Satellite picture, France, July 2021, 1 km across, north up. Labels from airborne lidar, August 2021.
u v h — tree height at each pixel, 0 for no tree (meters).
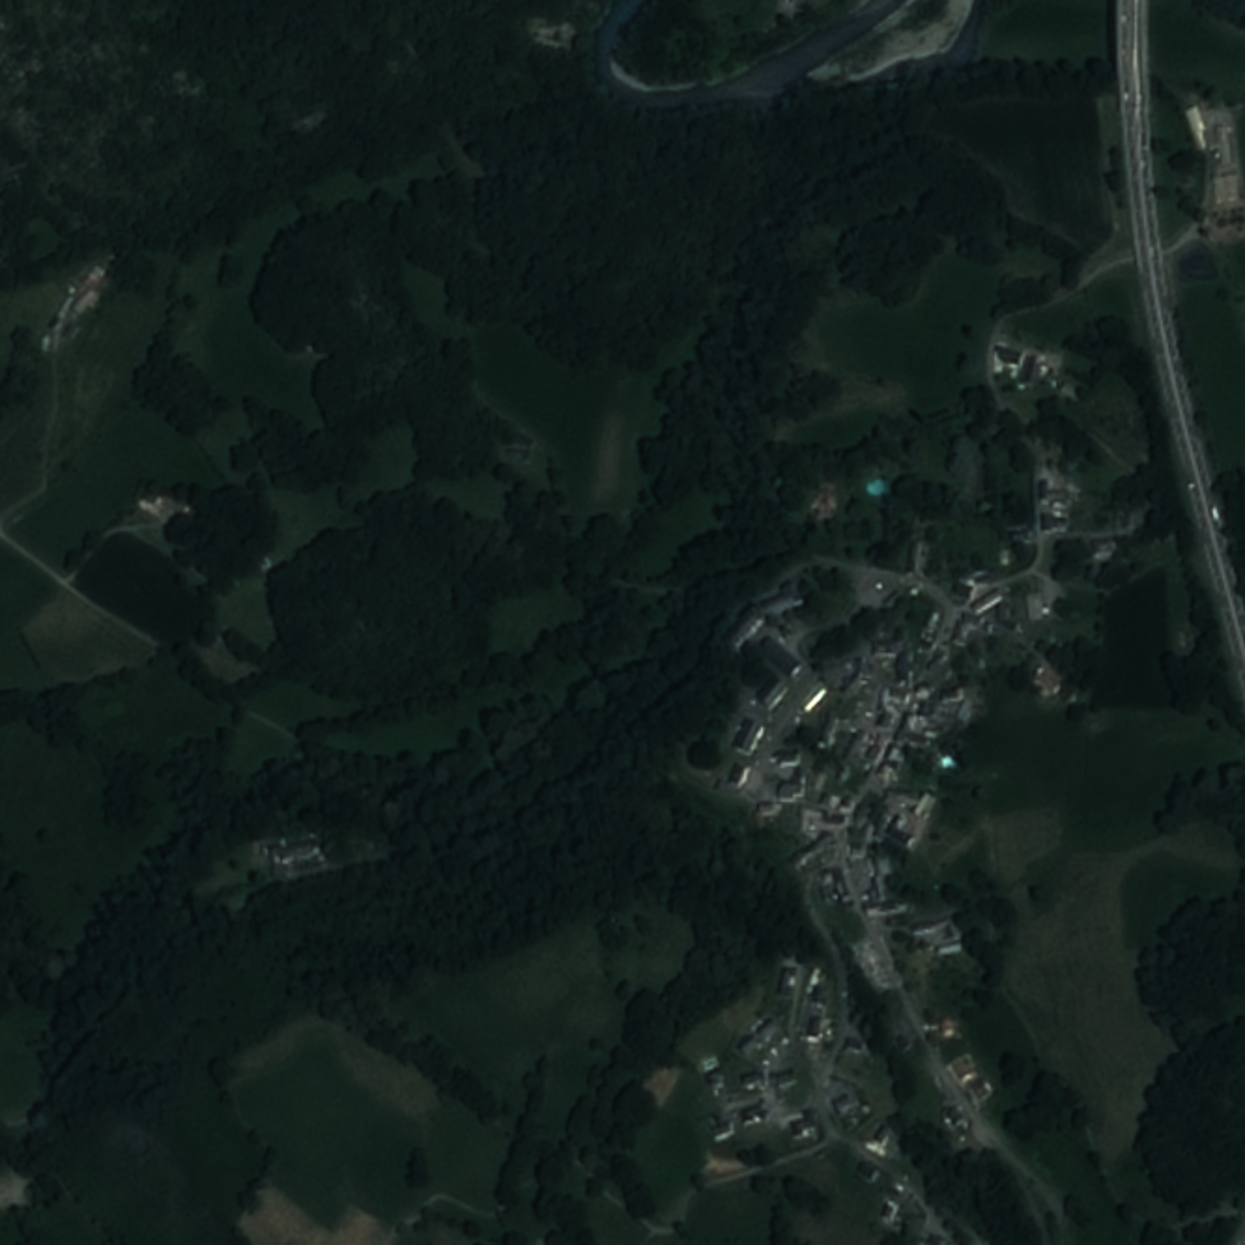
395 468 0
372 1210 0
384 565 16
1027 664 6
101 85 8
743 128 11
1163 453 14
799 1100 0
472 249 12
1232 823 16
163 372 18
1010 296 13
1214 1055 21
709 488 24
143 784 16
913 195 21
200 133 15
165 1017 0
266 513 19
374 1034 18
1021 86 14
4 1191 0
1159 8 0
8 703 25
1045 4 0
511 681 20
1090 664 15
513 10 14
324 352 17
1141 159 0
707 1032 0
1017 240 10
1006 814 0
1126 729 0
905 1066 19
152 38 12
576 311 8
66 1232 0
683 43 9
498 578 20
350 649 12
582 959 0
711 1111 0
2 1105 0
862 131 21
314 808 21
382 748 0
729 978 19
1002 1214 15
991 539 0
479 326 15
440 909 9
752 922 20
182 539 18
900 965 8
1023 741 0
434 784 16
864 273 17
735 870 27
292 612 18
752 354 30
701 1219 0
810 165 24
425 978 16
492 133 28
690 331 11
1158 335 0
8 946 25
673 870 23
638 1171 21
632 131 25
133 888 9
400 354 11
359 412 16
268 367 0
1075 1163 0
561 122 28
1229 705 19
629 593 12
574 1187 0
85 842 0
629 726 17
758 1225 0
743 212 17
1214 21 24
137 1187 0
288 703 0
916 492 20
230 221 19
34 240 13
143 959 22
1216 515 0
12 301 0
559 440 0
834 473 12
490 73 18
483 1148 0
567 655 27
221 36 18
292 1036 0
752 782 0
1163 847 0
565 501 19
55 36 7
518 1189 16
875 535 17
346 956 9
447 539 20
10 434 0
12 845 27
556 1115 0
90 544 12
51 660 0
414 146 18
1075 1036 0
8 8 9
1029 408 0
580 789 26
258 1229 0
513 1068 0
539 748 25
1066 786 0
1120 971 0
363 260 10
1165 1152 9
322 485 16
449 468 14
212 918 22
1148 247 0
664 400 22
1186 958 22
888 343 0
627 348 23
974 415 13
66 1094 16
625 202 11
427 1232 12
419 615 17
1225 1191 10
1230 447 0
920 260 19
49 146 7
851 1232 0
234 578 18
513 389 0
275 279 17
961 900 13
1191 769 0
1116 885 0
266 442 13
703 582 7
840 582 18
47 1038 9
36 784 0
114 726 0
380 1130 0
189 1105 0
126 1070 11
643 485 0
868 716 0
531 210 16
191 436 17
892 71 0
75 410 0
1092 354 12
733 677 8
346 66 13
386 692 24
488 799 24
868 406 0
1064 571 18
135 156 10
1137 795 0
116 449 0
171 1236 0
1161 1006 19
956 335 0
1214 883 0
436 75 15
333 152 19
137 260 17
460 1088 22
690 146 16
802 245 20
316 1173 0
